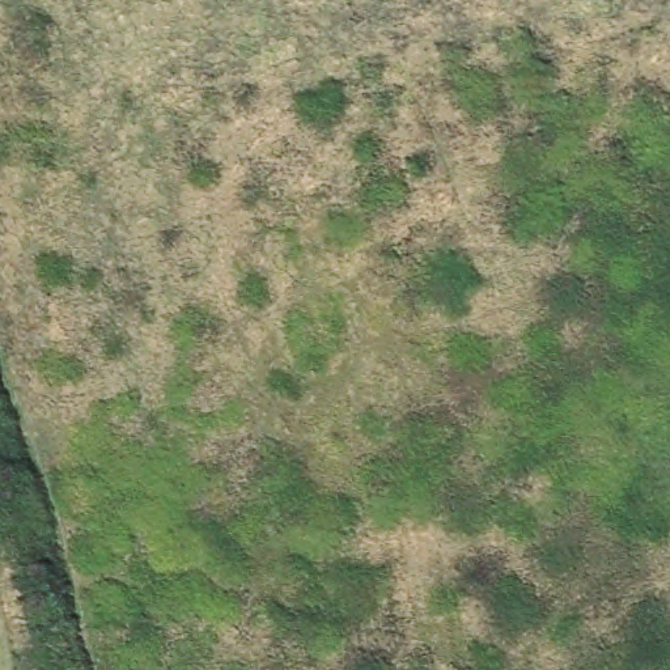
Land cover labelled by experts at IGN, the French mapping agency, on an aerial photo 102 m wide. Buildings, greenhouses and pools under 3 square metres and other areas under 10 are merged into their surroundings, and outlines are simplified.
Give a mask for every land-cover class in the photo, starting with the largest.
<instances>
[{"label":"herbaceous vegetation","instance_id":"1","mask_svg":"<svg viewBox=\"0 0 670 670\"><path fill-rule=\"evenodd\" d=\"M0 361L10 398L21 411V429L29 442V453L42 471V482L55 510L58 544L65 571L73 581V602L81 620V639L92 657V670H670V0H0ZM13 568L0 565V670H13L10 654L29 646V628L24 620V610L18 605V589L10 578Z\"/></svg>","mask_w":670,"mask_h":670},{"label":"brushwood","instance_id":"2","mask_svg":"<svg viewBox=\"0 0 670 670\"><path fill-rule=\"evenodd\" d=\"M0 565L13 568L10 578L18 589V605L24 610V620L29 628V646L10 654L13 670H92V657L81 639V620L73 602V581L65 571L58 544L55 510L42 482V471L29 453V442L21 429V411L10 398L0 361Z\"/></svg>","mask_w":670,"mask_h":670}]
</instances>
